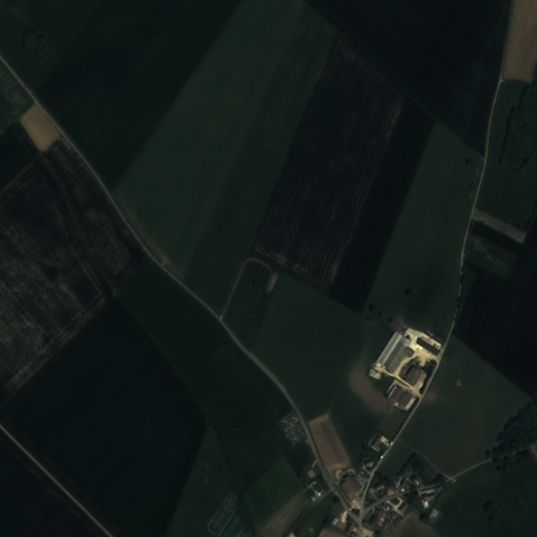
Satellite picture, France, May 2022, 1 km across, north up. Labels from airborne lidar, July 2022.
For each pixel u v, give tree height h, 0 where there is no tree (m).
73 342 0
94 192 0
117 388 0
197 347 0
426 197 0
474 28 0
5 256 0
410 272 0
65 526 0
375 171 0
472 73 0
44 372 0
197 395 0
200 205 0
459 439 0
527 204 0
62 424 0
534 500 0
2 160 0
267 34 0
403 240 0
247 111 0
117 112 0
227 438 0
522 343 0
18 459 0
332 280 0
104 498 0
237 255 0
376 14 0
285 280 0
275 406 0
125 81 0
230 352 0
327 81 0
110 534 0
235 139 0
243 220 0
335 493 0
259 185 0
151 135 0
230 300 0
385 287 0
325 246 0
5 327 0
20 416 0
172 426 0
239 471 0
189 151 0
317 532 0
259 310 0
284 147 0
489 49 0
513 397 0
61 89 0
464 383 0
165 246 0
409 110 0
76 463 0
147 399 0
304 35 0
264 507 0
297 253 0
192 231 0
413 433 0
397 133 0
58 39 0
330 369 0
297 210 0
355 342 0
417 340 0
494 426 0
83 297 0
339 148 0
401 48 0
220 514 0
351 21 0
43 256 0
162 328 0
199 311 0
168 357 0
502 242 0
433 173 0
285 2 0
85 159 0
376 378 0
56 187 0
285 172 0
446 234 0
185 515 0
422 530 0
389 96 0
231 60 0
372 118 0
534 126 20
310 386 0
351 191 0
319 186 0
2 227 0
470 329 0
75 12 0
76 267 0
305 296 0
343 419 0
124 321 0
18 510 0
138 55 0
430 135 0
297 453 0
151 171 0
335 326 0
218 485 0
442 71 0
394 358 0
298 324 0
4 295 0
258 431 0
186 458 0
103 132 0
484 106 0
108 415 0
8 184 0
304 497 0
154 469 0
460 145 0
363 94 0
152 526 0
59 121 0
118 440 0
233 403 0
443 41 0
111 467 0
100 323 0
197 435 0
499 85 0
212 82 0
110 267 0
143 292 0
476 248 0
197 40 0
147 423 0
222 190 0
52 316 0
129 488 0
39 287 0
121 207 0
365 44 0
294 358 0
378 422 0
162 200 0
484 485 0
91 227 0
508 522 0
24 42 18
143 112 0
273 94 0
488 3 0
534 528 0
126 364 0
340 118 0
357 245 0
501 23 0
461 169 0
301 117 0
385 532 0
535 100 21
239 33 0
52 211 0
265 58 0
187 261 0
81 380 0
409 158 0
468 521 0
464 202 0
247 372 0
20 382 0
